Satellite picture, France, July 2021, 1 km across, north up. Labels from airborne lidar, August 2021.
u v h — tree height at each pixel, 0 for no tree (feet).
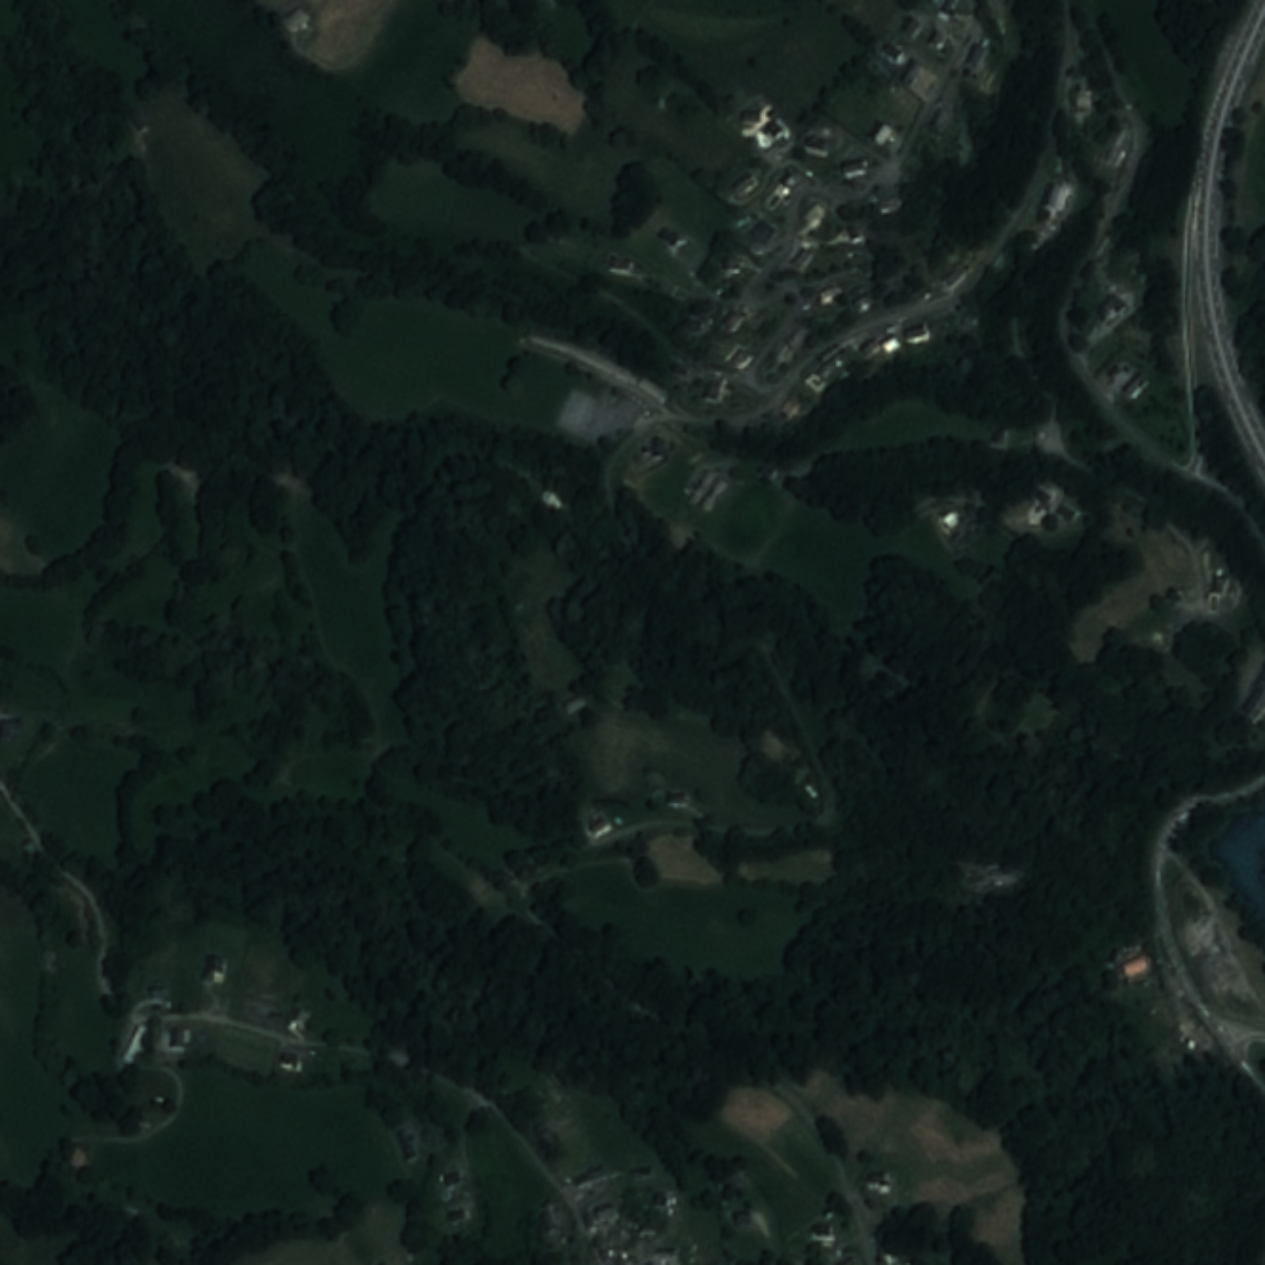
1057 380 83
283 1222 53
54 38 76
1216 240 0
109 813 0
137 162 86
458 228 0
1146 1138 74
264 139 38
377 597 0
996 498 46
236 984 0
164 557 20
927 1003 78
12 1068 0
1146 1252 90
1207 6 51
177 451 60
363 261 48
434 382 0
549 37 56
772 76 0
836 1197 42
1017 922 69
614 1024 62
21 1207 71
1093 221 57
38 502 0
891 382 66
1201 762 56
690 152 0
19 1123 0
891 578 57
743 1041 79
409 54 0
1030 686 35
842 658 94
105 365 89
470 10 62
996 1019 56
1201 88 38
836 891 42
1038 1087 56
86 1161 0
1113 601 0
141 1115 31
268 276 0
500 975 76
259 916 61
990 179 53
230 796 81
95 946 24
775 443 61
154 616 0
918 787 59
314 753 0
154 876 65
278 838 73
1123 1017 57
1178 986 0
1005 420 29
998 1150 0
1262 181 0
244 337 108
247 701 0
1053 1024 53
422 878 90
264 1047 0
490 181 67
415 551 66
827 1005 27
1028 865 50
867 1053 80
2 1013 0
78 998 0
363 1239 0
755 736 65
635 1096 60
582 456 39
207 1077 0
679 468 0
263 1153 0
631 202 64
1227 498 57
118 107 52
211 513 81
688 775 0
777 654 26
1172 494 67
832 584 0
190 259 73
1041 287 76
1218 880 52
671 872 0
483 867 46
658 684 53
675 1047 64
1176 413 25
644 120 0
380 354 0
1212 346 0
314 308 0
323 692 50
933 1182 0
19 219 50
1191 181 77
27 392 43
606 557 82
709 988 64
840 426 75
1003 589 58
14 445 41
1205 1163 47
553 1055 97
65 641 0
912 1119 0
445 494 21
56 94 64
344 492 90
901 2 37
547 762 80
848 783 60
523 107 0
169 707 0
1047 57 58
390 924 32
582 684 35
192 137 0
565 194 0
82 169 92
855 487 36
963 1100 44
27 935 0
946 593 61
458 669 57
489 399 0
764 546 0
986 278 29
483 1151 0
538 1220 26
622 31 43
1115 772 76
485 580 21
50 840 48
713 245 26
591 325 28
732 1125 0
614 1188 0
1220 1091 84
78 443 0
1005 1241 0
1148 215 44
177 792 0
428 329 0
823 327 24
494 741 59
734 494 0
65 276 62
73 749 0
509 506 86
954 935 94
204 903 32
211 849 77
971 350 61
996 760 49
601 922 0
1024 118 45
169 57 60
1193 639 69
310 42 0
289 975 0
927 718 104
